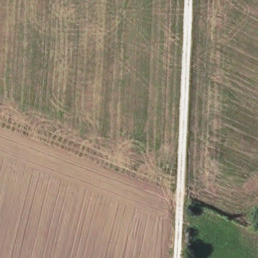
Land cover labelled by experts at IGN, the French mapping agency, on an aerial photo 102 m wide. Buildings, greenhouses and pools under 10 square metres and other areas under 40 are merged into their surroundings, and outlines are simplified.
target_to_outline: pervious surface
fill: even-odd
[[[184,0],[173,258],[181,258],[192,0]]]

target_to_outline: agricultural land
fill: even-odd
[[[173,258],[184,0],[0,0],[0,258]]]
[[[258,258],[258,0],[192,0],[181,258]]]

